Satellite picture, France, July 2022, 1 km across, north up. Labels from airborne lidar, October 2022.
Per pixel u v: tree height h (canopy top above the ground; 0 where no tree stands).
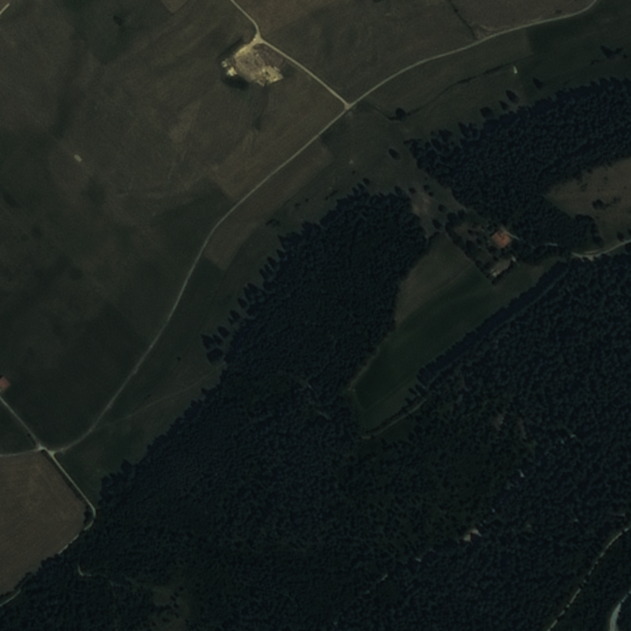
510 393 33
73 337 0
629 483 42
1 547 0
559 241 20
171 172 0
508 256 13
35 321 0
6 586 0
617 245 0
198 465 21
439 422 15
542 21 0
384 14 0
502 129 29
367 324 15
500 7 0
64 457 0
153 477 20
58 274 0
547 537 25
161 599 0
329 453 28
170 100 0
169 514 11
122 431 0
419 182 0
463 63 0
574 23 0
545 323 35
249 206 0
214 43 0
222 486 24
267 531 31
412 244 17
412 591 29
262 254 0
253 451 29
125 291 0
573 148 23
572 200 0
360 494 13
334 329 19
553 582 31
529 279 0
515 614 32
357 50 0
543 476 40
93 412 0
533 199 18
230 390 10
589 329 38
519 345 38
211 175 0
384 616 15
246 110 0
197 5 0
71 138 0
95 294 0
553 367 36
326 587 12
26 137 0
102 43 0
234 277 0
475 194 22
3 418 0
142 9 0
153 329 0
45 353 0
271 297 12
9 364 0
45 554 0
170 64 0
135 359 0
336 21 0
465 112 0
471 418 11
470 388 14
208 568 11
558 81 0
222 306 0
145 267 0
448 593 19
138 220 0
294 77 0
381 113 0
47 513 0
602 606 11
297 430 33
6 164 0
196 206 0
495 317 0
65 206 0
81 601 17
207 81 0
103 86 0
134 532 13
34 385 0
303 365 11
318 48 0
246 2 0
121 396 0
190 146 0
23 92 0
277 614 16
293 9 0
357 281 14
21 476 0
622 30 0
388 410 0
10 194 0
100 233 0
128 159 0
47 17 0
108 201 0
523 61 0
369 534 6
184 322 0
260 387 9
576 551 29
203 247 0
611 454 35
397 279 19
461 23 0
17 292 0
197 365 0
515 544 35
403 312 0
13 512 0
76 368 0
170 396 0
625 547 12
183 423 10
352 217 17
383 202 20
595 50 0
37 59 0
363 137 0
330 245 17
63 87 0
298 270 20
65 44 0
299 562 12
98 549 9
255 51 0
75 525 0
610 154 22
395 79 0
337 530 23
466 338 0
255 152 0
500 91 0
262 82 0
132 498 13
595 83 0
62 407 0
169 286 0
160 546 15
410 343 0
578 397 34
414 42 0
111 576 8
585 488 13
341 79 0
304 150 0
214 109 0
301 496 31
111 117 0
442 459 11
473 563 30
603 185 0
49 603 6
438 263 0
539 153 25
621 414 22
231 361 21
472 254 15
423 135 0
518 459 7
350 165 0
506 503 35
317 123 0
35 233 0
